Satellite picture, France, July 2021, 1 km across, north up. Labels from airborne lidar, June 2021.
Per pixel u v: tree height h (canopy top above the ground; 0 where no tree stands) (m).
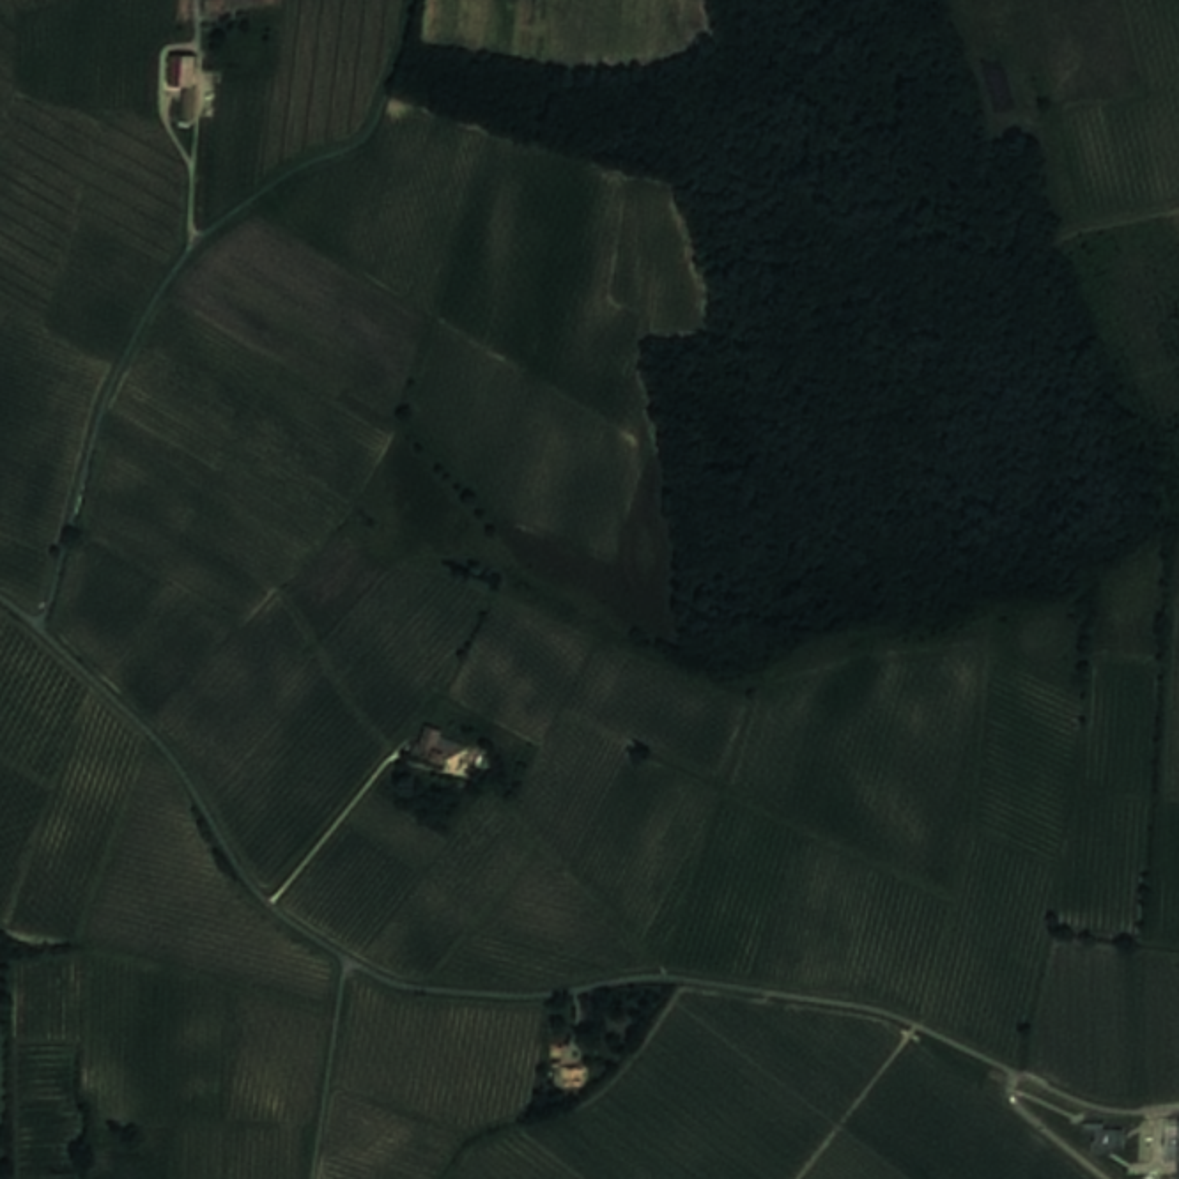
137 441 0
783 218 19
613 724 0
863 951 0
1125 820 0
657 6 0
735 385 12
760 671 7
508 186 0
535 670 0
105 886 0
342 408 0
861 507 23
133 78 0
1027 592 18
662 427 15
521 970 0
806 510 25
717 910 0
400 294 0
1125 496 23
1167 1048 0
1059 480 20
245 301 0
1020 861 0
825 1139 0
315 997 0
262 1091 0
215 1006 0
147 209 0
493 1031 0
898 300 16
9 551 0
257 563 0
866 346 21
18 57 0
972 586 26
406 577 0
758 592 22
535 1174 0
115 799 0
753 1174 0
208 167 0
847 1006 0
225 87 0
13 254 0
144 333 0
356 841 0
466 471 0
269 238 0
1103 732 0
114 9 0
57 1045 0
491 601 0
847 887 0
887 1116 0
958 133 20
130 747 0
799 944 0
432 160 0
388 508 0
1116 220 0
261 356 0
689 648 18
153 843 0
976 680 0
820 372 23
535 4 0
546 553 0
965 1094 0
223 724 0
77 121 0
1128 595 0
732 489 23
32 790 0
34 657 0
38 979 0
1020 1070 0
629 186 0
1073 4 0
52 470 0
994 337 24
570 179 0
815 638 9
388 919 0
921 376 15
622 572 0
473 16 0
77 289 0
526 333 0
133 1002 0
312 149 0
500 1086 0
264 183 0
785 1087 0
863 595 13
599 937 0
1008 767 0
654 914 0
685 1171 0
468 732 8
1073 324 21
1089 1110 0
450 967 0
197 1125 0
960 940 0
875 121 12
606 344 0
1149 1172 0
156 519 0
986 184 23
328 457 0
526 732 0
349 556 0
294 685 0
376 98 0
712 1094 0
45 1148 0
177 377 0
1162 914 0
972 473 23
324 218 0
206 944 0
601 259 0
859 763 0
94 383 0
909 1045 0
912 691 0
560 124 16
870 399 17
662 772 0
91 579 0
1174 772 0
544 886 0
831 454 22
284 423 0
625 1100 0
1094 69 0
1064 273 8
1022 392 22
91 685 0
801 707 0
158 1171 0
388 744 0
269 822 0
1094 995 0
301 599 0
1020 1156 0
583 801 0
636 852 0
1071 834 0
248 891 0
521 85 17
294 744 0
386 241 0
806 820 0
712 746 0
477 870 0
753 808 0
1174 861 0
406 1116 0
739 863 0
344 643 0
